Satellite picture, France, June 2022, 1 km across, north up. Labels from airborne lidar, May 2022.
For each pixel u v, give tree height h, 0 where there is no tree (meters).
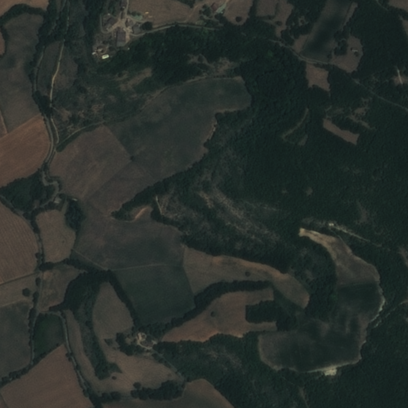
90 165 0
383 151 15
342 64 0
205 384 0
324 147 12
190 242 15
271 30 8
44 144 0
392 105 12
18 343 0
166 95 0
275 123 14
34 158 0
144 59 12
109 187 0
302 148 11
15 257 0
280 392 8
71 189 0
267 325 0
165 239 0
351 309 0
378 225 6
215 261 0
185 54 6
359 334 0
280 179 10
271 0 0
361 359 7
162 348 14
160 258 0
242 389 11
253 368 6
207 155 8
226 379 9
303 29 12
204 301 14
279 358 0
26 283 0
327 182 10
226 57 8
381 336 8
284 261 15
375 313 0
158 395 19
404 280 6
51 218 0
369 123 8
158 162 0
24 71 0
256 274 0
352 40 0
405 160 11
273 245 5
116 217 11
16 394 0
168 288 0
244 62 6
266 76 23
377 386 10
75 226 16
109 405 0
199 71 13
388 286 12
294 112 17
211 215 9
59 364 0
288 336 0
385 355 10
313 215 10
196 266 0
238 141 12
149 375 0
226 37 20
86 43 7
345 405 10
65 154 0
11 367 0
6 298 0
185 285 0
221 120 11
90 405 0
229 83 0
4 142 0
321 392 10
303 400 7
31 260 0
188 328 0
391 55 12
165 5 0
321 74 0
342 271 0
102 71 11
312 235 0
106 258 0
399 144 14
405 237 8
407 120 11
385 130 11
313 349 0
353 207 10
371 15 11
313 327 0
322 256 10
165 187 9
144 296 0
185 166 0
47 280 0
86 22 16
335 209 11
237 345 7
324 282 12
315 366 0
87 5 15
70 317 0
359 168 8
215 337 7
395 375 11
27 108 0
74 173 0
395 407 13
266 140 13
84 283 10
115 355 0
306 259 12
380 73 9
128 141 0
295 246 8
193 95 0
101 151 0
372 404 12
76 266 24
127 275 0
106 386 0
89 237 0
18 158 0
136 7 0
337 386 7
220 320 0
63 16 8
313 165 13
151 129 0
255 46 16
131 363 0
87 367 0
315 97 13
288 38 11
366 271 0
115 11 7
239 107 0
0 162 0
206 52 17
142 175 0
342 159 9
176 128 0
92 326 12
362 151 13
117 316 0
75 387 0
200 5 0
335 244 0
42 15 9
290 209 8
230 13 0
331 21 0
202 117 0
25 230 0
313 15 15
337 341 0
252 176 11
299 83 14
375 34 14
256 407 9
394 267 11
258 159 8
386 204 9
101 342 0
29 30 0
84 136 0
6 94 0
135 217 0
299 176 12
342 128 11
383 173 11
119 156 0
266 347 0
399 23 15
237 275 0
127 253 0
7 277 0
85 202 0
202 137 0
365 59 14
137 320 16
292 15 9
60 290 0
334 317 0
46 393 0
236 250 11
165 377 0
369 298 0
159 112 0
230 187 6
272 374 11
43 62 0
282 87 22
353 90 11
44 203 10
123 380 0
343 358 0
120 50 7
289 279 0
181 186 8
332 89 11
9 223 0
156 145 0
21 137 0
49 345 0
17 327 0
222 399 0
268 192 8
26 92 0
